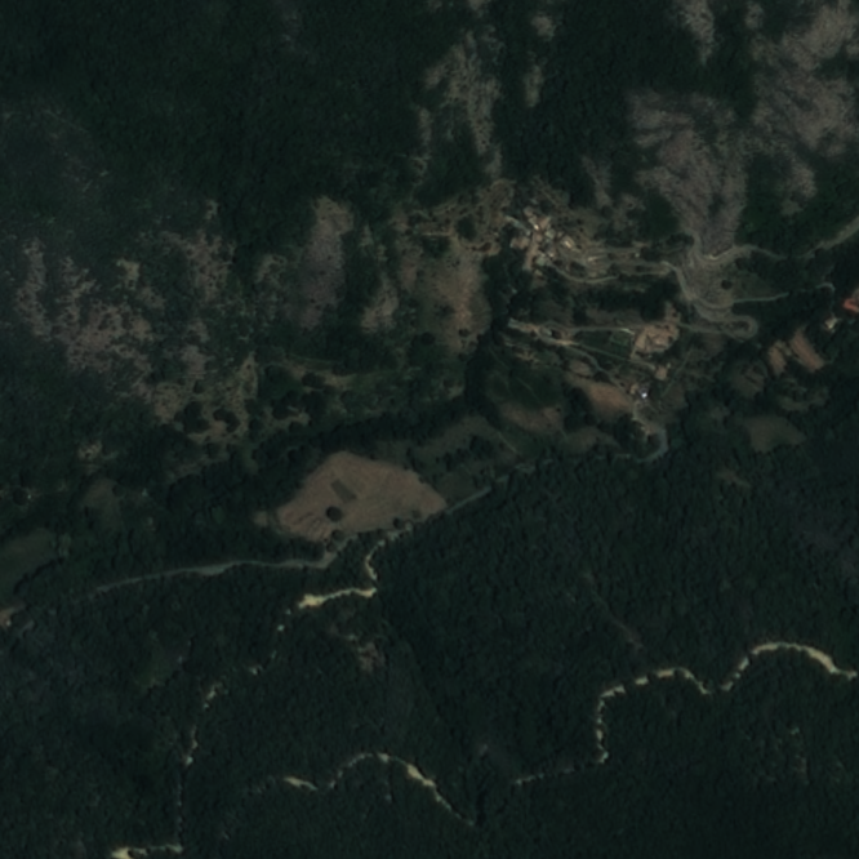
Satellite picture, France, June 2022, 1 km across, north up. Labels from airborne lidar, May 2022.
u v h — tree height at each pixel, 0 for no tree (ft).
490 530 42
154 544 52
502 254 19
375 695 33
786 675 28
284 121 57
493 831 90
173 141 53
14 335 23
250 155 64
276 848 57
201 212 23
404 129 39
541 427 0
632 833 61
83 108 20
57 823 29
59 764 58
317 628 39
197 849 52
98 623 40
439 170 34
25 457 43
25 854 32
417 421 35
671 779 48
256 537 34
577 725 47
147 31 41
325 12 45
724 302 0
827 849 36
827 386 34
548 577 46
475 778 46
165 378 33
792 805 31
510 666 34
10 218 19
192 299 22
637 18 41
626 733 47
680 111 0
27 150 20
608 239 25
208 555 40
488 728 21
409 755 42
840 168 22
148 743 49
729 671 37
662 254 28
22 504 52
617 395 0
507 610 23
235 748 40
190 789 47
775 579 49
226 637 33
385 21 39
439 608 33
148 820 52
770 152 0
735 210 0
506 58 30
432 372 41
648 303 38
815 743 49
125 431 28
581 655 51
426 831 42
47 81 23
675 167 0
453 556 53
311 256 0
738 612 33
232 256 26
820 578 63
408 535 41
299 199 37
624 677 40
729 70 41
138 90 31
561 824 56
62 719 55
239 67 66
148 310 26
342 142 38
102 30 56
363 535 30
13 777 62
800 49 0
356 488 0
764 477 35
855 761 42
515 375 45
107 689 38
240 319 32
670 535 23
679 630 43
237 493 74
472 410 25
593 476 29
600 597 30
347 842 45
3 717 20
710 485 30
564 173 38
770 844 53
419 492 0
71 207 34
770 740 28
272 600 32
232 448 39
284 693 42
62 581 54
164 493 48
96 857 32
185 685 46
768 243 25
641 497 38
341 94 49
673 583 31
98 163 23
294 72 52
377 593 42
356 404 54
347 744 41
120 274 33
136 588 36
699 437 25
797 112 0
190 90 60
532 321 32
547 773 66
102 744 62
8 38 21
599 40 43
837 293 28
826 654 26
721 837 51
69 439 47
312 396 37
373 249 40
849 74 20
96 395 24
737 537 29
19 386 43
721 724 44
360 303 41
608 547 26
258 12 55
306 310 0
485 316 0
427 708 61
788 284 41
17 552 0
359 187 28
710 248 0
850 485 32
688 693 41
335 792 47
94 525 44
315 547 21
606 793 59
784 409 27
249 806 47
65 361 19
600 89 31
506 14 55
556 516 39
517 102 22
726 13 43
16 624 31
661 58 40
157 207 25
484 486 24
